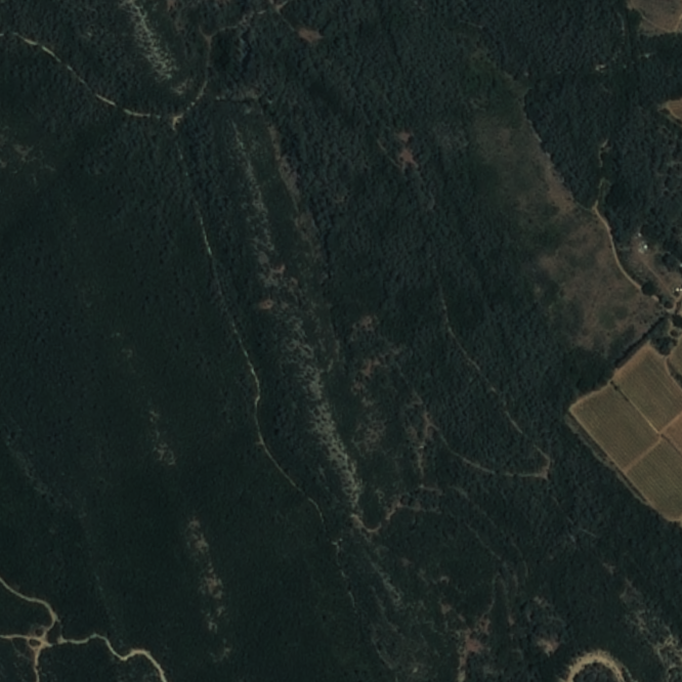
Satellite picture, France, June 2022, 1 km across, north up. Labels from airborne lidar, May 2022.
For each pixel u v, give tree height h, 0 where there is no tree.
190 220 6
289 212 5
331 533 10
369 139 16
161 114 15
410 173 20
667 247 11
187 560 5
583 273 0
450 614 6
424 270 14
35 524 9
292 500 9
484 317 18
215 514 8
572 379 15
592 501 17
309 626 6
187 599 7
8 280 13
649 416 0
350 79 22
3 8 17
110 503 7
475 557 6
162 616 6
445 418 14
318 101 20
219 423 6
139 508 12
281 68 18
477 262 10
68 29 8
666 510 0
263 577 7
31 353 8
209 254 15
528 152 0
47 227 7
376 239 16
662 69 21
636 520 15
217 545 6
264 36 11
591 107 17
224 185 7
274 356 7
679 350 0
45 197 6
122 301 8
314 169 9
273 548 7
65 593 9
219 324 6
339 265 7
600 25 18
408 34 18
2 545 8
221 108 7
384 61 19
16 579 7
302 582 8
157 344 7
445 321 21
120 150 7
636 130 17
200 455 6
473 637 11
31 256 7
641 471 0
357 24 24
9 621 6
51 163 6
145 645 6
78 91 14
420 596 6
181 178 15
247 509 9
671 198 18
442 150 20
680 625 12
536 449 6
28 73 15
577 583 6
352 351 9
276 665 9
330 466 6
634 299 0
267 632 11
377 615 6
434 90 22
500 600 6
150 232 6
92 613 8
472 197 17
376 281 14
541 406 14
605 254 0
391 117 23
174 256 6
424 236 15
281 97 21
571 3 9
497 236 16
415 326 13
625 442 0
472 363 10
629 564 10
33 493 8
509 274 17
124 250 7
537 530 9
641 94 9
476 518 13
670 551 6
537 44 22
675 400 0
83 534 7
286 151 11
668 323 15
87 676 6
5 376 5
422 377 15
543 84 18
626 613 6
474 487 14
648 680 7
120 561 6
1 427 7
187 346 6
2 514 8
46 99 15
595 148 21
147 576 6
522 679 9
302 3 16
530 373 16
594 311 0
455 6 19
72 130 7
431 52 18
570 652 6
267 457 6
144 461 6
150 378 7
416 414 11
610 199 13
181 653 7
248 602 9
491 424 6
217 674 7
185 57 20
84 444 5
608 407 0
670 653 7
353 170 23
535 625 10
